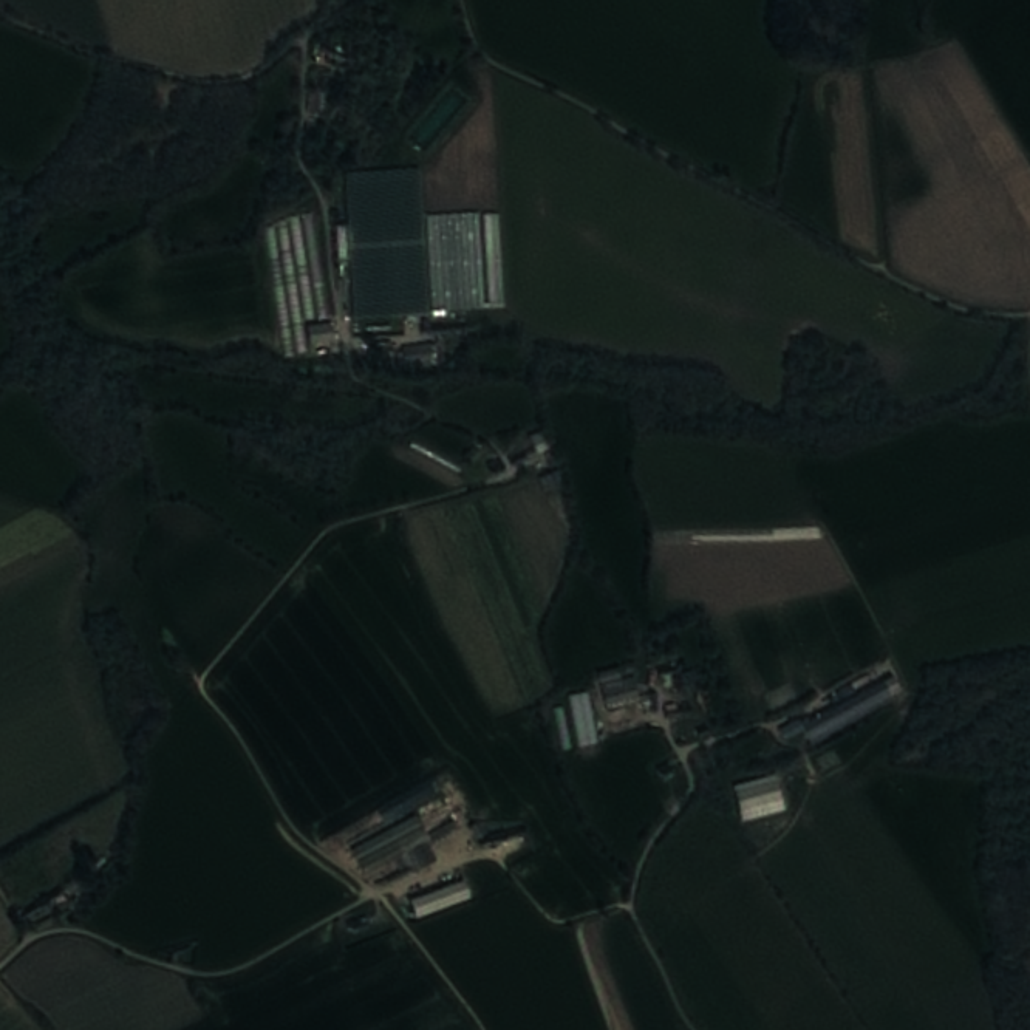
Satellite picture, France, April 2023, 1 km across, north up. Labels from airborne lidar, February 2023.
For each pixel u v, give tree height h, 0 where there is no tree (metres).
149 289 0
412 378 27
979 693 14
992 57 0
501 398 0
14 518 0
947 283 0
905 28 0
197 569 0
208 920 0
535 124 0
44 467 0
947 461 0
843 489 0
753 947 0
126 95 16
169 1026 0
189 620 0
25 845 8
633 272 0
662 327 0
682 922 0
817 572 0
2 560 0
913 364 0
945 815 0
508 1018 0
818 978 0
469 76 0
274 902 0
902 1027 0
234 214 0
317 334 0
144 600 0
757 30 0
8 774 0
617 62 0
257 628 0
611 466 0
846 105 0
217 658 0
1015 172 0
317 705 0
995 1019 9
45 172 9
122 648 12
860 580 0
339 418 0
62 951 0
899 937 0
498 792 0
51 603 0
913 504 0
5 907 0
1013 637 0
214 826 0
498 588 0
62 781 0
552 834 0
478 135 0
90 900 11
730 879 0
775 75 0
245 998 0
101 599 0
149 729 16
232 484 0
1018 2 0
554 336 0
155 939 0
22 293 9
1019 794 12
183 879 0
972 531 0
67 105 0
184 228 0
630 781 0
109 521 0
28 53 0
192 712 0
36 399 11
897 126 0
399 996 0
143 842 0
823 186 0
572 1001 0
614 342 0
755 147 0
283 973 0
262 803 0
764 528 0
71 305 0
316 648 0
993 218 0
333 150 10
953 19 0
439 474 0
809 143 0
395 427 8
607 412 0
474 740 0
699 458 0
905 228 0
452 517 0
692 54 0
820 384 11
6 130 0
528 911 0
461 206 0
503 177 0
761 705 0
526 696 0
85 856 13
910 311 0
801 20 10
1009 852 10
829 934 0
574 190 0
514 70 0
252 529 0
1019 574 0
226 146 15
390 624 0
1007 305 0
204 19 0
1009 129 0
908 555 0
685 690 14
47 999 0
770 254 0
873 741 0
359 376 10
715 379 15
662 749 0
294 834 0
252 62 0
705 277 0
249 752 0
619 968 0
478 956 0
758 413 14
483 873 0
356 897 0
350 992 0
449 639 0
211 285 0
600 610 0
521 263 0
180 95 9
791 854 0
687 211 0
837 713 0
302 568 0
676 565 0
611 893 0
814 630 0
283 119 9
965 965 0
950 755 16
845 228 0
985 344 0
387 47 8
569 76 0
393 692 0
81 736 0
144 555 0
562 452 18
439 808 0
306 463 11
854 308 0
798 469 0
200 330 0
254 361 14
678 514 0
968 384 0
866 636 0
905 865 0
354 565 0
